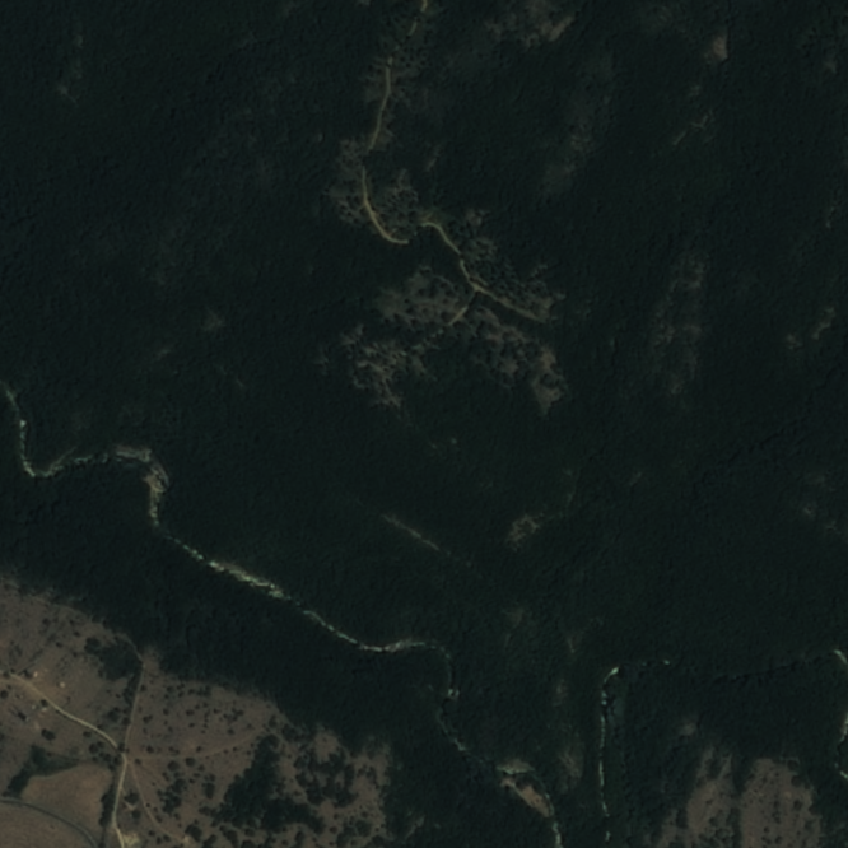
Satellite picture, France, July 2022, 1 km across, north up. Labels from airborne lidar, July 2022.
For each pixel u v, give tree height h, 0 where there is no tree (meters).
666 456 6
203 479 13
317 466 10
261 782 10
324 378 13
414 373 12
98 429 15
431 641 6
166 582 15
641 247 17
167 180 11
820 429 15
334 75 11
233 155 8
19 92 11
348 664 19
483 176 8
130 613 12
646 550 16
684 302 7
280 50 9
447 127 9
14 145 13
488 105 10
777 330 11
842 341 8
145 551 15
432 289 11
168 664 8
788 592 12
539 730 7
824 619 18
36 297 13
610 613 11
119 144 19
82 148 20
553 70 11
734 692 15
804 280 9
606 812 8
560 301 9
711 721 11
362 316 19
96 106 16
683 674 17
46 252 11
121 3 9
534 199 12
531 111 8
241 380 9
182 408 11
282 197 9
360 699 15
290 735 8
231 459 13
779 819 7
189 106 17
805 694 17
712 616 15
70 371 14
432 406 10
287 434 16
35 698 0
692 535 12
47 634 0
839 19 13
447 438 12
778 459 15
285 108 12
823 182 11
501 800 11
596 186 15
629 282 21
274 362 14
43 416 10
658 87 13
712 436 12
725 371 9
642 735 11
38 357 11
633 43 13
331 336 12
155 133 16
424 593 11
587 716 17
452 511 12
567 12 9
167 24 12
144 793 0
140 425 9
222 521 12
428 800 8
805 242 8
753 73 23
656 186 10
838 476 9
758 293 12
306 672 15
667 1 11
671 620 14
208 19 15
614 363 12
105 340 13
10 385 15
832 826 8
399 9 19
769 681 21
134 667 6
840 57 13
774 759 7
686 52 11
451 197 14
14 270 8
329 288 21
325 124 10
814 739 16
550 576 9
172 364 13
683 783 8
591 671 18
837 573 17
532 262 15
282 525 16
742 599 13
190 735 0
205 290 13
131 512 8
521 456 12
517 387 10
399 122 9
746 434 13
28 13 13
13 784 9
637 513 11
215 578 16
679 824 8
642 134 16
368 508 6
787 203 14
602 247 12
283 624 17
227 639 12
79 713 0
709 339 9
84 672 0
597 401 9
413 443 10
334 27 15
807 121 15
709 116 10
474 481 11
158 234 9
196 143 12
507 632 7
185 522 14
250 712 0
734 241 13
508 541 7
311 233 12
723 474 14
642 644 20
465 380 9
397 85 12
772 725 14
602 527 8
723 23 9
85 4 9
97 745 8
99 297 11
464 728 14
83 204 12
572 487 9
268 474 16
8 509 17
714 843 9
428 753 17
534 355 10
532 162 9
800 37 18
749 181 18
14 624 0
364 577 11
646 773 12
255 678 9
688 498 17
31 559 11
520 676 7
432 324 13
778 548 15
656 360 6
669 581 16
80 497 15
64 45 15
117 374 14
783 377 7
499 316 13
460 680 15
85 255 8
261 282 15
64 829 0
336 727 10
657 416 6
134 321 10
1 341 16
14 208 14
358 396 13
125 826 0
